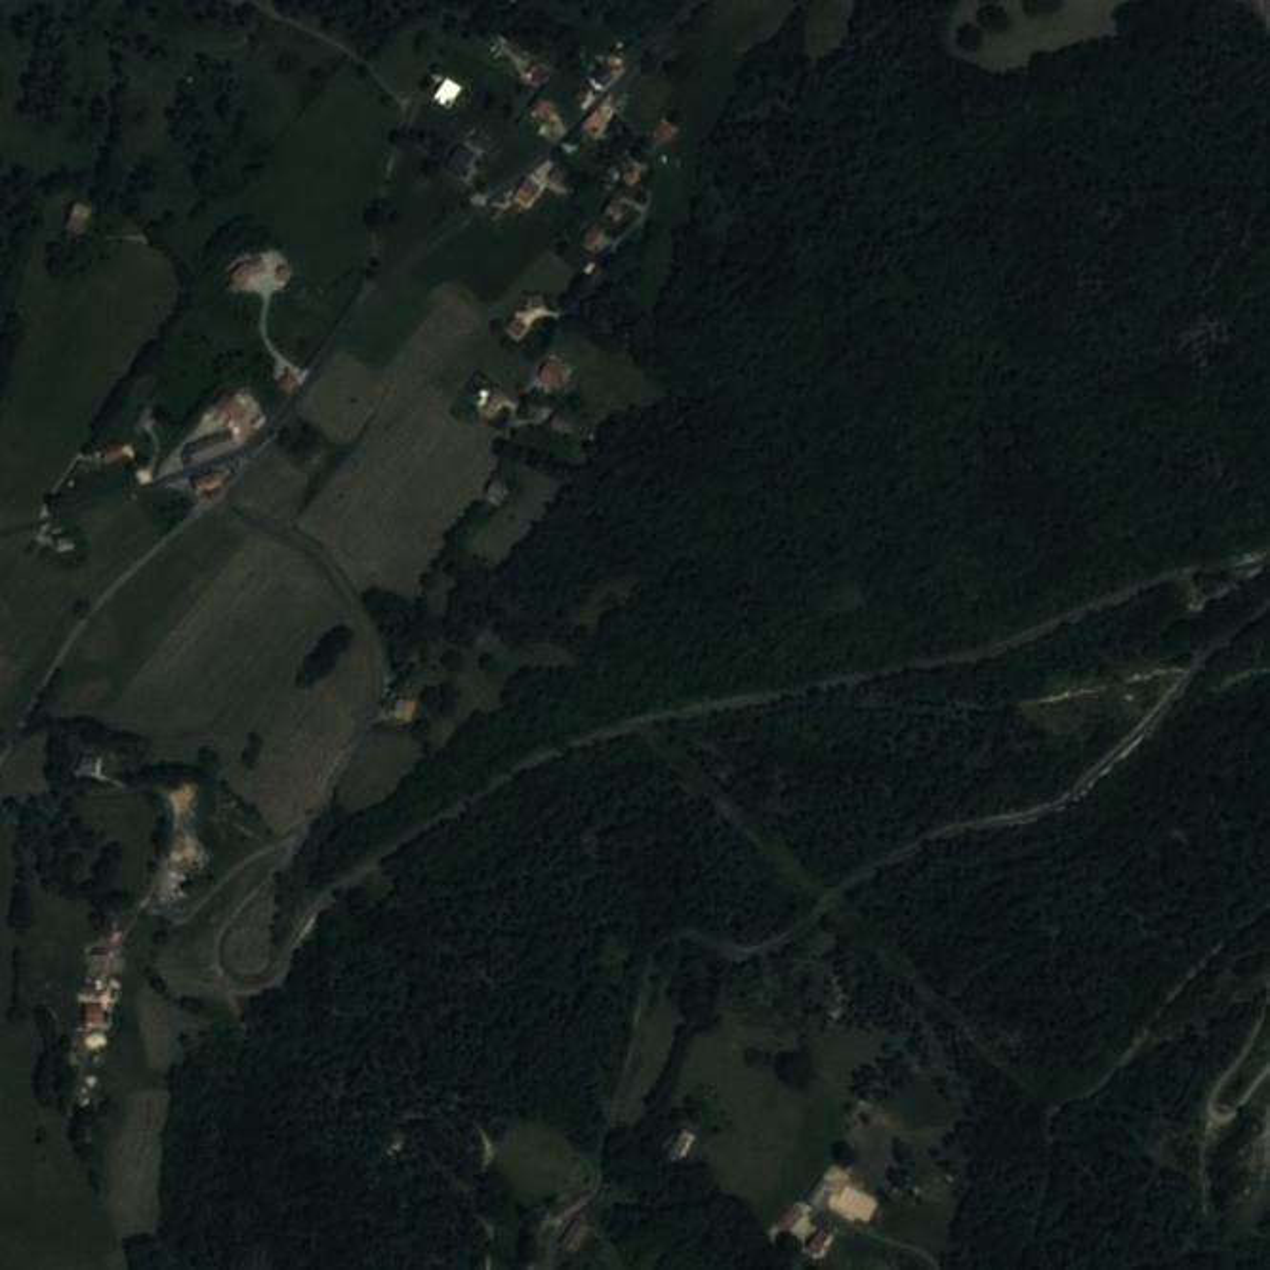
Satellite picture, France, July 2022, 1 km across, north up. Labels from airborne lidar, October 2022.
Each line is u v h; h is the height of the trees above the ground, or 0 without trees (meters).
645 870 20
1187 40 14
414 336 0
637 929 6
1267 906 7
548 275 0
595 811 25
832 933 16
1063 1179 21
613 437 19
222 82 15
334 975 16
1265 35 16
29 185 23
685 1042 15
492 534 0
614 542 12
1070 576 14
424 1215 27
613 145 7
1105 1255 15
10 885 0
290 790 0
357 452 0
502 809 11
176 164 0
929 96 13
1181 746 20
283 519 0
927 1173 0
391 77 0
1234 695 15
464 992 25
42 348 0
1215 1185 9
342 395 0
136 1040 0
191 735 0
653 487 18
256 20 21
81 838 12
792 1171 0
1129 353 9
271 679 0
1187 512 8
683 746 9
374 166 0
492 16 13
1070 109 13
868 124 23
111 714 0
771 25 0
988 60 0
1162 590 12
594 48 0
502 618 14
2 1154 0
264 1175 25
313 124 0
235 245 9
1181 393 16
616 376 0
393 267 0
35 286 0
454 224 0
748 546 12
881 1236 0
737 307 15
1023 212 15
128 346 0
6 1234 0
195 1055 13
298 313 0
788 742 12
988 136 16
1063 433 9
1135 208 17
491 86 0
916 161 12
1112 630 16
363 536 0
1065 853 22
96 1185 12
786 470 10
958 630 10
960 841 13
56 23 15
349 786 0
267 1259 22
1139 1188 28
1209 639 19
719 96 0
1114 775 7
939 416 12
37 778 0
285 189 0
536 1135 0
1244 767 27
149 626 0
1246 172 11
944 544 9
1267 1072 0
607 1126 10
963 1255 10
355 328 0
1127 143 12
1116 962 15
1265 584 17
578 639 10
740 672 11
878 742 16
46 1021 17
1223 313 15
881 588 10
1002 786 14
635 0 12
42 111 19
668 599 12
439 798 11
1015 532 14
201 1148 17
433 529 0
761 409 9
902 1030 12
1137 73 15
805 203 14
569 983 9
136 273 0
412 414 0
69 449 0
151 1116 0
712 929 14
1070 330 10
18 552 0
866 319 12
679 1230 22
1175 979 15
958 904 20
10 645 0
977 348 8
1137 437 10
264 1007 11
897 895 15
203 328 0
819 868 16
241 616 0
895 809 21
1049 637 9
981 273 12
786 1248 21
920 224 30
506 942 31
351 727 0
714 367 12
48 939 0
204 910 0
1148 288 11
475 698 0
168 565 0
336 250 0
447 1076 20
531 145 0
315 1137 29
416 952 14
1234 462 11
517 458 18
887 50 8
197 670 0
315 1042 11
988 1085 29
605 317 16
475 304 0
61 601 0
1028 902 22
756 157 11
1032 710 0
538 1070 26
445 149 13
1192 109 15
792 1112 0
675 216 0
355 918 9
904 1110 0
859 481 9
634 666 11
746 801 20
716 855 12
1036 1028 23
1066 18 0
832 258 14
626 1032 10
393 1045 23
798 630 14
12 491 0
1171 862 12
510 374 0
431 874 14
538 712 10
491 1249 19
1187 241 7
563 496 12
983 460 12
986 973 6
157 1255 22
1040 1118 21
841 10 0
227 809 0
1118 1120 29
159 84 0
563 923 22
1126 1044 14
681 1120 18
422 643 11
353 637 13
